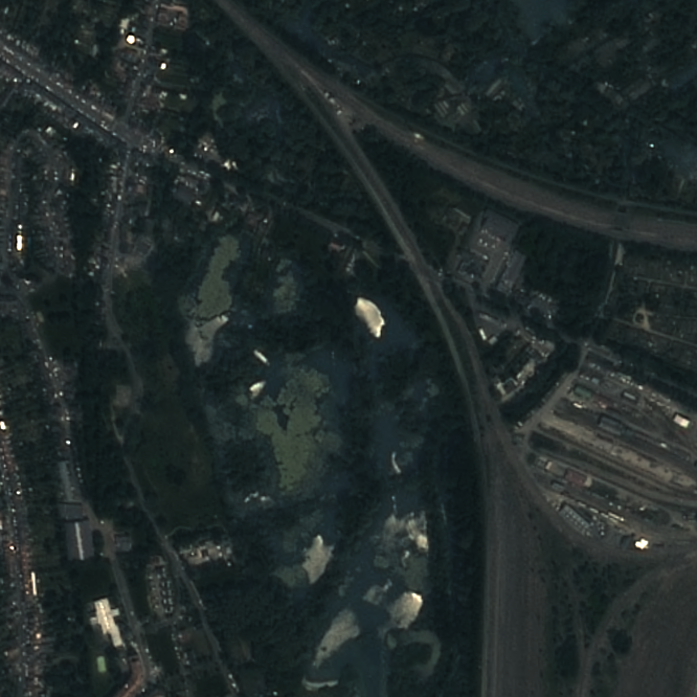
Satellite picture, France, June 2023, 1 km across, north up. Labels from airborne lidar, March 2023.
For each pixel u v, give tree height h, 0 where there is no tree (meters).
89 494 12
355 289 14
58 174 0
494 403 0
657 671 0
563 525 0
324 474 0
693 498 0
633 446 0
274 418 0
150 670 0
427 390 0
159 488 0
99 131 0
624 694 0
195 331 0
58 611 7
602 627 0
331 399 0
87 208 15
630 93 0
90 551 0
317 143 13
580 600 0
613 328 0
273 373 0
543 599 0
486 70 0
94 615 0
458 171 0
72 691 11
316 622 8
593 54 7
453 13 17
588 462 0
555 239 10
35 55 0
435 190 0
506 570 0
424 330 13
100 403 11
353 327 30
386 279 12
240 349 18
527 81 0
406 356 29
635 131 13
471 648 8
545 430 0
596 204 0
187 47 16
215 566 18
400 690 8
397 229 0
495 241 0
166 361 0
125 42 0
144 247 0
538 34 0
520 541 0
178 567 0
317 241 0
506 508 0
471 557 9
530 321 10
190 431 0
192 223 14
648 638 0
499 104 9
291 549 0
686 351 0
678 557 0
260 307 12
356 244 12
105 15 0
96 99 0
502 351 11
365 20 9
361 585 0
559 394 0
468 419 6
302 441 0
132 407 0
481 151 8
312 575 0
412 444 0
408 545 0
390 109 6
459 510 17
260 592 23
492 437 0
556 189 0
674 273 0
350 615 0
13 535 0
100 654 0
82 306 9
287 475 0
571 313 13
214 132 11
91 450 8
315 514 0
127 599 0
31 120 8
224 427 0
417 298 11
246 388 0
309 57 7
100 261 0
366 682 0
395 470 0
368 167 0
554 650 0
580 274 17
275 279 0
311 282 26
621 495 0
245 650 0
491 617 0
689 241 0
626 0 7
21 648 0
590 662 0
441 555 7
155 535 12
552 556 0
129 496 16
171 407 0
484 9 20
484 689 0
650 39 0
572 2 16
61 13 9
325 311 12
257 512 0
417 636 0
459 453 33
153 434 0
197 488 0
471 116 0
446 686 11
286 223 0
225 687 0
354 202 11
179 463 0
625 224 0
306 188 17
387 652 0
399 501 0
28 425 0
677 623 0
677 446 0
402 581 0
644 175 21
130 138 0
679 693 0
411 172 19
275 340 13
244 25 0
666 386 13
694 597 0
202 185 12
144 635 0
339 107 0
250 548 8
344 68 0
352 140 0
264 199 9
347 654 0
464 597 22
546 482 0
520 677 0
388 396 7
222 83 16
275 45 0
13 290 0
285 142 10
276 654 14
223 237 0
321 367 0
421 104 15
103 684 0
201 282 0
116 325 0
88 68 6
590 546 0
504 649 0
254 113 0
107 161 12
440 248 0
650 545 0
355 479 24
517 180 0
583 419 0
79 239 18
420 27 22
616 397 0
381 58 0
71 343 0
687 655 0
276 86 6
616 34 12
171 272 34
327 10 9
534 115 0
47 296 0
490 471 0
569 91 16
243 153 20
